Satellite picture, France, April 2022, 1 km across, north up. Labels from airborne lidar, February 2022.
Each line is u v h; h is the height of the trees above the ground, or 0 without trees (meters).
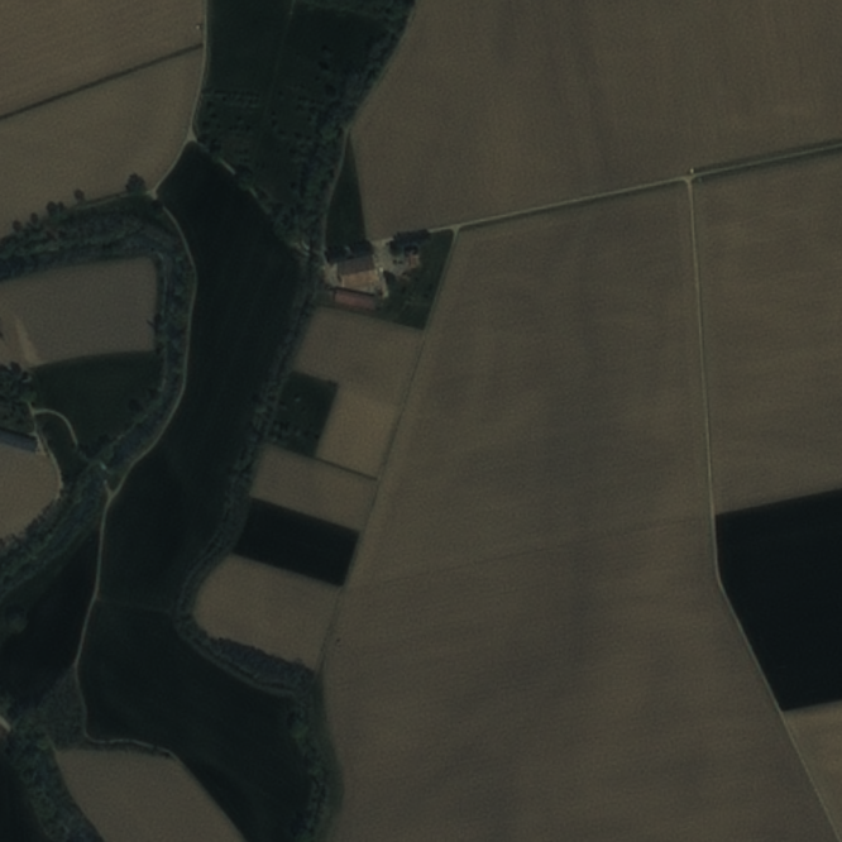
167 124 0
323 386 0
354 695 0
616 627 0
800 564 0
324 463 0
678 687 0
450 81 0
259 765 0
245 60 0
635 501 0
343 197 0
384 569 0
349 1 14
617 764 0
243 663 16
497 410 0
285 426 8
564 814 0
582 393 0
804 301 0
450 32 0
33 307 0
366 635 0
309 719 6
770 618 0
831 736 0
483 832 0
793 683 0
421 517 0
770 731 0
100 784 0
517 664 0
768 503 0
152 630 0
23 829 0
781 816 0
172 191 0
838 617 0
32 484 0
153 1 0
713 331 0
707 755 0
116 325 0
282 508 0
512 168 0
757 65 0
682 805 0
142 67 0
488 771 0
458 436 0
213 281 0
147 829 0
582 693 0
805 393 0
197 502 0
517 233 0
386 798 0
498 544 0
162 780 0
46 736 22
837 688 0
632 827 0
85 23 0
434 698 0
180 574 0
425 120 0
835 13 0
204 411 0
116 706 0
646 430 0
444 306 0
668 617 0
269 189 0
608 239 0
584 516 0
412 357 0
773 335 0
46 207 0
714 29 0
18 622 20
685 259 0
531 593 0
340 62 0
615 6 0
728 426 0
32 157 0
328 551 0
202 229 0
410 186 0
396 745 0
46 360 0
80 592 0
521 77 0
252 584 0
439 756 0
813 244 0
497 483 0
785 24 0
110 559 0
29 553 22
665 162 0
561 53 0
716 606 0
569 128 0
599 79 0
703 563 0
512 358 0
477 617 0
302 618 0
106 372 0
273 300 0
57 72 0
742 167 0
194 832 0
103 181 0
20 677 0
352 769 0
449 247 0
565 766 0
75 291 0
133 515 0
